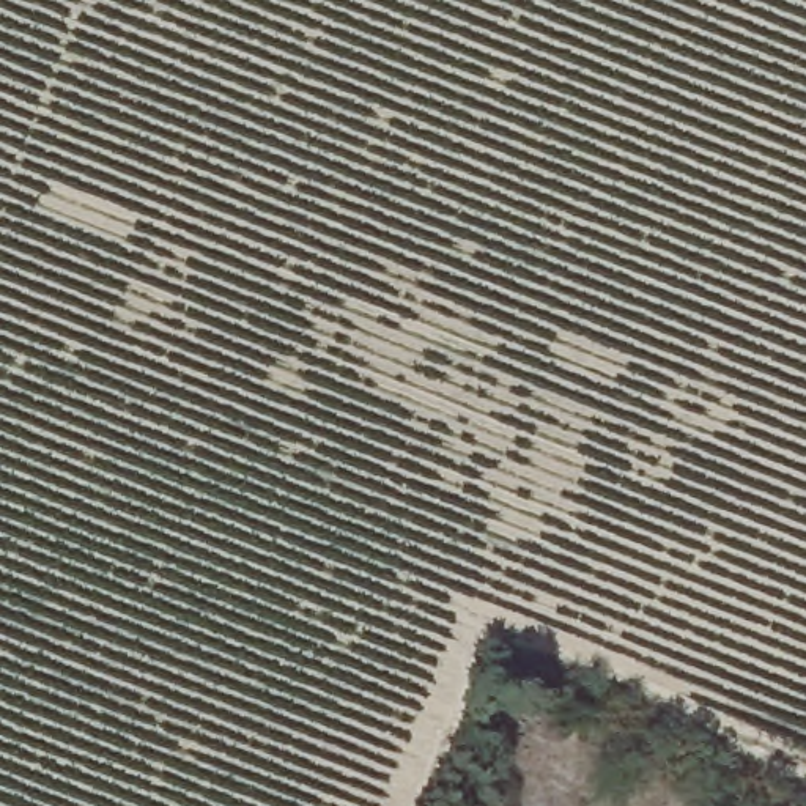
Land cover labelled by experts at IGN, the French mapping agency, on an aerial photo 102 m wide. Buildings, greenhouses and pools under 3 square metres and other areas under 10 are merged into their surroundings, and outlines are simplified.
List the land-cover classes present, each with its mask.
<instances>
[{"label":"vineyard","instance_id":"1","mask_svg":"<svg viewBox=\"0 0 806 806\"><path fill-rule=\"evenodd\" d=\"M460 592L466 598L526 617V630H513L501 620L488 623L485 636L475 645L472 667L479 674L497 671L519 645L529 652L532 661L548 664L557 655L560 661L576 664H589L595 658L605 661L617 680H639L642 690L655 699H680L683 712L712 715L721 730L737 734V746L743 752L756 759H765L771 752L790 756L793 775L806 778V0H0V806H384L387 781L397 768V752L409 743L412 721L419 718V708L434 680V674L422 664H438L453 633L457 614L450 611V598Z\"/></svg>","mask_w":806,"mask_h":806},{"label":"deciduous trees","instance_id":"2","mask_svg":"<svg viewBox=\"0 0 806 806\"><path fill-rule=\"evenodd\" d=\"M545 727H554L560 737L576 734L579 743H586L598 756L589 781L614 806H627V800L636 790H645L652 781H664L683 806H806V778L793 775L790 756L771 752L765 759H756L743 752L737 746V734L721 730L712 715L683 712L680 699H655L642 690L639 680H617L605 661L595 658L589 664H576L560 661L557 655L548 664L532 661L529 652L519 645L497 671L479 674L472 667L463 721L453 730L450 749L438 759V768L422 787L416 806H523V771L516 765V746L519 737L542 734Z\"/></svg>","mask_w":806,"mask_h":806},{"label":"plowed land","instance_id":"3","mask_svg":"<svg viewBox=\"0 0 806 806\"><path fill-rule=\"evenodd\" d=\"M450 611L457 614L453 633L438 664H422L434 674V680L419 708V718L412 721L409 743L397 752V768L387 781L384 806H416L422 787L438 768V759L450 749L453 730L463 721L472 667L475 645L485 636L488 623L501 620L513 630H526V617L466 598L460 592L450 598Z\"/></svg>","mask_w":806,"mask_h":806},{"label":"herbaceous vegetation","instance_id":"4","mask_svg":"<svg viewBox=\"0 0 806 806\"><path fill-rule=\"evenodd\" d=\"M598 756L586 743H579L576 734L560 737L554 727H545L542 734L519 737L516 746V765L523 771V806H614L589 781ZM627 806H683L664 781H652L645 790H636L627 800Z\"/></svg>","mask_w":806,"mask_h":806}]
</instances>
